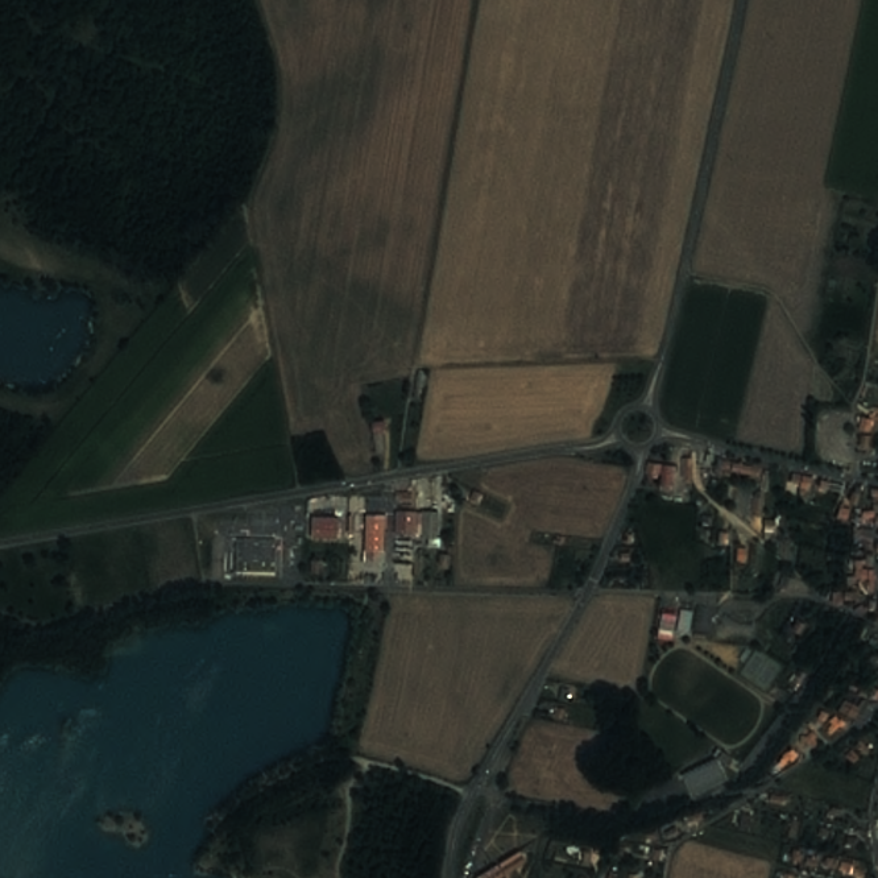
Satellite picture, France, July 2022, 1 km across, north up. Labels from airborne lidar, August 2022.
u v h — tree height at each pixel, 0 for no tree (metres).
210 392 0
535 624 0
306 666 0
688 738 0
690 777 0
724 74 0
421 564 0
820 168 0
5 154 13
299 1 0
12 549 0
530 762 0
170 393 0
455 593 0
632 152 0
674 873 0
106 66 16
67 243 33
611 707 25
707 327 0
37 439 25
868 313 0
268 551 0
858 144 0
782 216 0
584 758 23
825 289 0
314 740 0
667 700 0
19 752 0
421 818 11
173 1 6
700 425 0
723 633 0
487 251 0
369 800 13
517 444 0
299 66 0
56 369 0
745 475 7
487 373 0
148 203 12
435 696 0
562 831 5
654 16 0
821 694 8
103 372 0
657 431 0
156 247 13
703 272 0
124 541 0
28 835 0
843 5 0
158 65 5
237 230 0
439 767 0
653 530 0
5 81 10
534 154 0
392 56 0
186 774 0
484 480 0
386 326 0
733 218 0
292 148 0
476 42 0
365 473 0
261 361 0
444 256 0
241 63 12
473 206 0
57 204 16
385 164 0
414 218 0
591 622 0
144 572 0
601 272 0
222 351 0
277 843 0
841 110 0
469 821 0
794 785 0
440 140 0
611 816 17
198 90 8
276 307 0
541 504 0
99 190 9
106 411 0
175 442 0
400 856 11
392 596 0
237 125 10
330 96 0
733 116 0
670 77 0
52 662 17
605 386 0
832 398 0
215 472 0
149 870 0
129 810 0
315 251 0
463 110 0
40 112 6
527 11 0
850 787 0
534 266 0
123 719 0
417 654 0
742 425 0
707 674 0
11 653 18
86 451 0
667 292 0
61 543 14
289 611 0
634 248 0
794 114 0
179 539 0
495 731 0
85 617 18
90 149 8
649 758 24
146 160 18
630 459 14
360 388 0
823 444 0
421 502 0
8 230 0
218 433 0
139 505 0
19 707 0
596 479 0
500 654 0
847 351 0
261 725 0
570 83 0
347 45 0
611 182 0
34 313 0
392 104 0
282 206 0
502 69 0
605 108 0
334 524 0
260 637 0
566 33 0
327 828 0
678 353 0
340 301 0
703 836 0
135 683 0
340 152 0
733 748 0
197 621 17
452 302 0
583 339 0
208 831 8
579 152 0
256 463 0
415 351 0
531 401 0
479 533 0
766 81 0
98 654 21
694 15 0
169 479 0
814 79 0
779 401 0
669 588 0
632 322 0
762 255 0
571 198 0
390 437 0
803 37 0
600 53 0
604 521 0
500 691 0
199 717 0
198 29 10
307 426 0
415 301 0
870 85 0
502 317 0
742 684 0
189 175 10
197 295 0
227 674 0
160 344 0
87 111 19
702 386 0
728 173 0
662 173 0
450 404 0
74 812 0
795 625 0
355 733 8
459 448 0
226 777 0
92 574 0
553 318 0
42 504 0
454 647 0
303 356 0
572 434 0
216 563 0
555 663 0
